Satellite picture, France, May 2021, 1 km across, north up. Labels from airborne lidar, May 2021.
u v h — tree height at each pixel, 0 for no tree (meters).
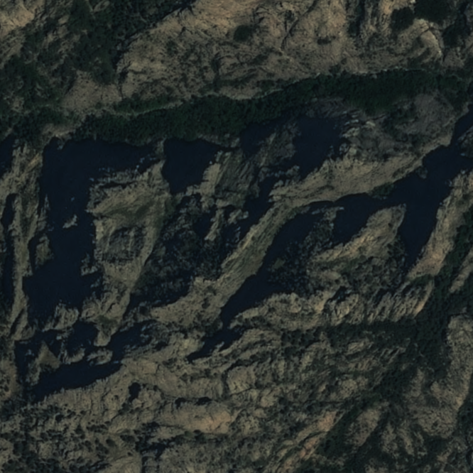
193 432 0
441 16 11
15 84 8
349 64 0
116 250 0
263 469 15
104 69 20
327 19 0
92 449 19
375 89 13
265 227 9
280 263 0
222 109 11
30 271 0
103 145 10
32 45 12
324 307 8
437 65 9
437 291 15
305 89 14
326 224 6
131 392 10
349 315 20
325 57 0
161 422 8
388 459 6
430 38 0
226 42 8
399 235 15
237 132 10
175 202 6
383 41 7
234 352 15
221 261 7
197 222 6
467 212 9
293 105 12
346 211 8
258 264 0
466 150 11
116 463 0
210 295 7
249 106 16
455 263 15
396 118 20
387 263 9
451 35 16
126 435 10
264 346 7
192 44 9
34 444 19
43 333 0
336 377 10
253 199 15
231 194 10
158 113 16
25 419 9
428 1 16
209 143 9
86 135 16
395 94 12
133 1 18
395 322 12
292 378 10
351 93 14
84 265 9
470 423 9
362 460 9
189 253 14
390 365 7
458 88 15
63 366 0
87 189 39
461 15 27
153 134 17
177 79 9
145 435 16
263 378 6
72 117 7
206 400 7
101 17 19
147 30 10
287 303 13
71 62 20
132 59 0
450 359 9
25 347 6
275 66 0
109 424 19
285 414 25
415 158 9
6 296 5
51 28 7
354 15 10
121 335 0
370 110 13
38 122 16
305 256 12
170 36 8
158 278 8
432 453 18
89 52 27
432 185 13
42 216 0
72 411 10
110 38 10
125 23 22
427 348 20
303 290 13
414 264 6
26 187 8
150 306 13
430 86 9
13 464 30
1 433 14
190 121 9
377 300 14
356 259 9
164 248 0
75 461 22
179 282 12
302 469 8
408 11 17
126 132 22
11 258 6
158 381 0
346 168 6
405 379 13
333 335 28
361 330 10
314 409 16
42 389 9
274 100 28
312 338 14
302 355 10
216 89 14
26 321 0
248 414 16
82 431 30
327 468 10
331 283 15
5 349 22
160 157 11
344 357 22
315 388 20
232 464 10
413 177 6
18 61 14
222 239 8
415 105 11
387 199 7
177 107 9
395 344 16
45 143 9
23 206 7
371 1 7
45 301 6
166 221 12
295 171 12
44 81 11
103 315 0
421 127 0
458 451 6
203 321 15
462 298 19
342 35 0
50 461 20
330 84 17
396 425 9
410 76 25
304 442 8
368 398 6
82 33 14
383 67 8
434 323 22
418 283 9
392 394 15
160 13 9
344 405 13
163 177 8
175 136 12
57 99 7
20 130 32
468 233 27
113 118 20
